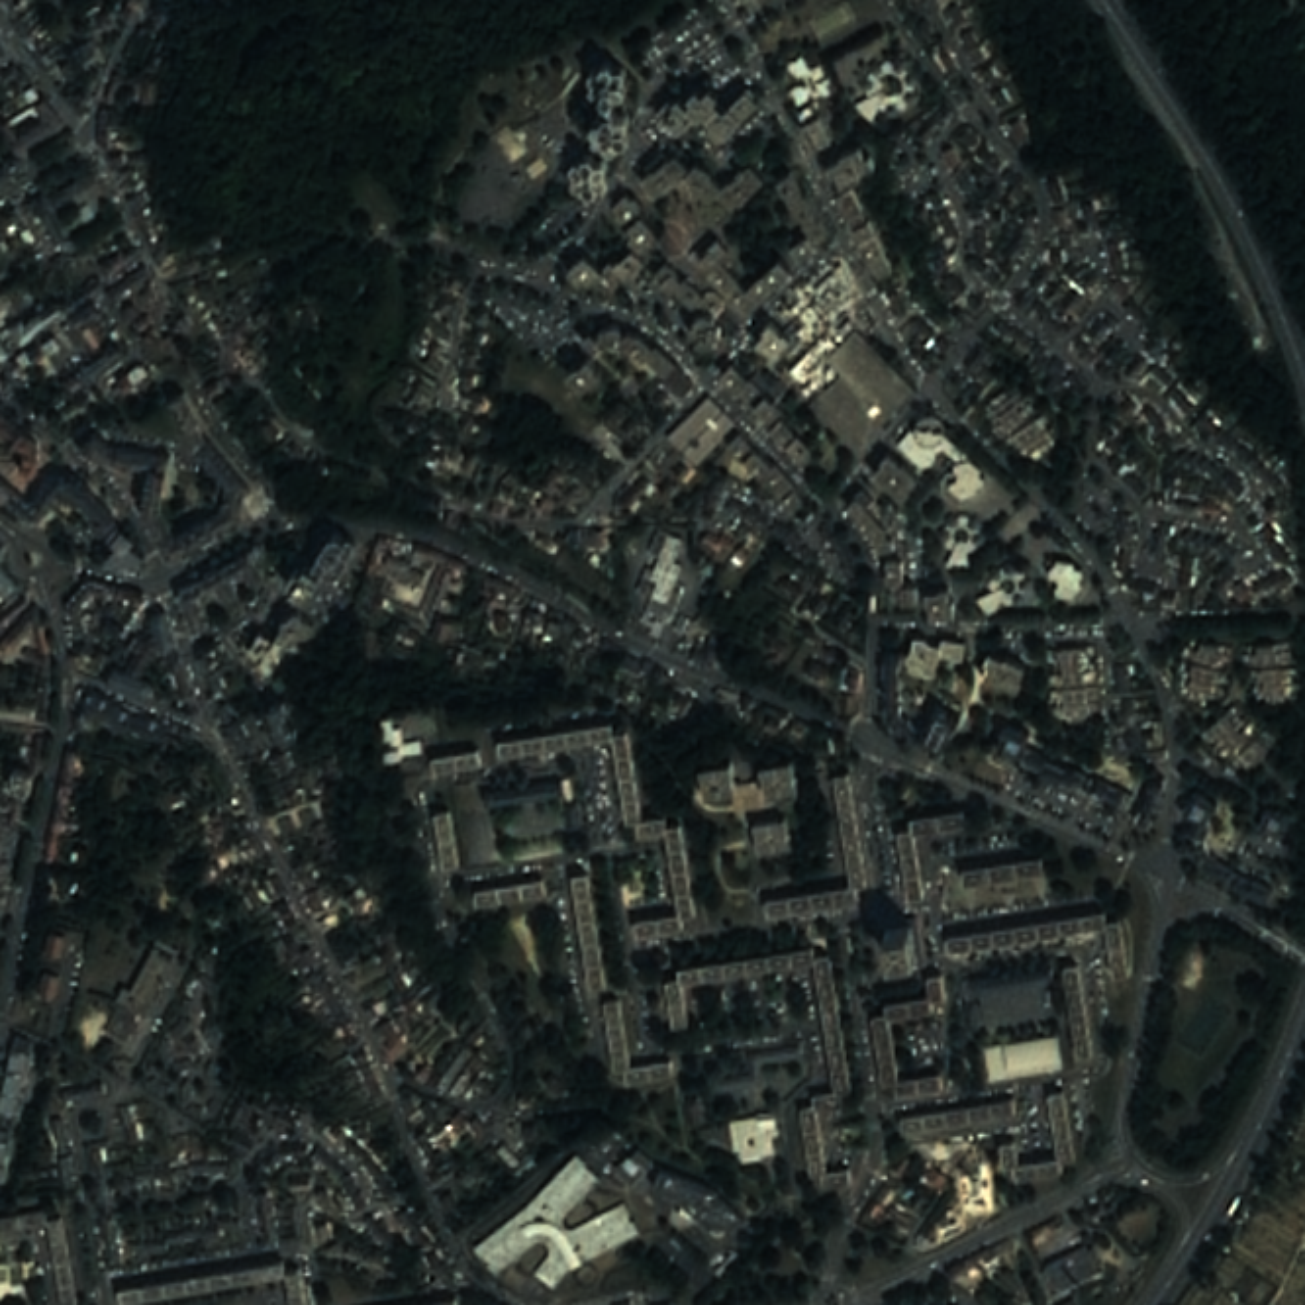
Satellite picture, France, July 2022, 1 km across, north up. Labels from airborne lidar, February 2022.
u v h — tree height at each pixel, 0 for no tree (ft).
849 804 0
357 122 58
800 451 0
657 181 0
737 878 0
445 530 31
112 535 0
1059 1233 0
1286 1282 0
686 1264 0
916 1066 23
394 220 0
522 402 23
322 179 48
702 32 0
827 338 0
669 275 0
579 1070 27
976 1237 0
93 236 31
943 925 0
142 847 19
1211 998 0
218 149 52
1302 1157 0
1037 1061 0
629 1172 0
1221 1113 43
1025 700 45
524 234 22
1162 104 0
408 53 51
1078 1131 0
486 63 52
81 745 23
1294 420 35
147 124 23
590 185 0
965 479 0
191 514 0
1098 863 30
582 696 38
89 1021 0
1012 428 0
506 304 0
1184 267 65
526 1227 0
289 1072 30
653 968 73
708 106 0
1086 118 65
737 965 0
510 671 34
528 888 0
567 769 48
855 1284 0
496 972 40
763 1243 23
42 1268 0
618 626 20
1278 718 50
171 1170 0
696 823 42
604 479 52
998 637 30
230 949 22
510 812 31
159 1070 27
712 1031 59
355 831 51
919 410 47
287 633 0
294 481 44
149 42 24
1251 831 30
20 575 0
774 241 32
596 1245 0
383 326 0
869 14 0
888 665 0
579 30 67
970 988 0
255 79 64
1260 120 47
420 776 0
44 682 0
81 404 24
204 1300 23
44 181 30
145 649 0
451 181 32
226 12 54
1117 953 0
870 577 48
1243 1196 20
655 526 32
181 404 0
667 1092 0
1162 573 0
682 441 0
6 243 0
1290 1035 0
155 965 0
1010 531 0
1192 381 24
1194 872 35
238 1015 40
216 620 39
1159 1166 0
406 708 44
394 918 44
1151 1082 48
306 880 0
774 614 24
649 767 57
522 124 0
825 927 33
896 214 21
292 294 38
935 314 40
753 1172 34
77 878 22
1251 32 60
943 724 0
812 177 0
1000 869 0
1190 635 32
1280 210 27
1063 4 38
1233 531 0
